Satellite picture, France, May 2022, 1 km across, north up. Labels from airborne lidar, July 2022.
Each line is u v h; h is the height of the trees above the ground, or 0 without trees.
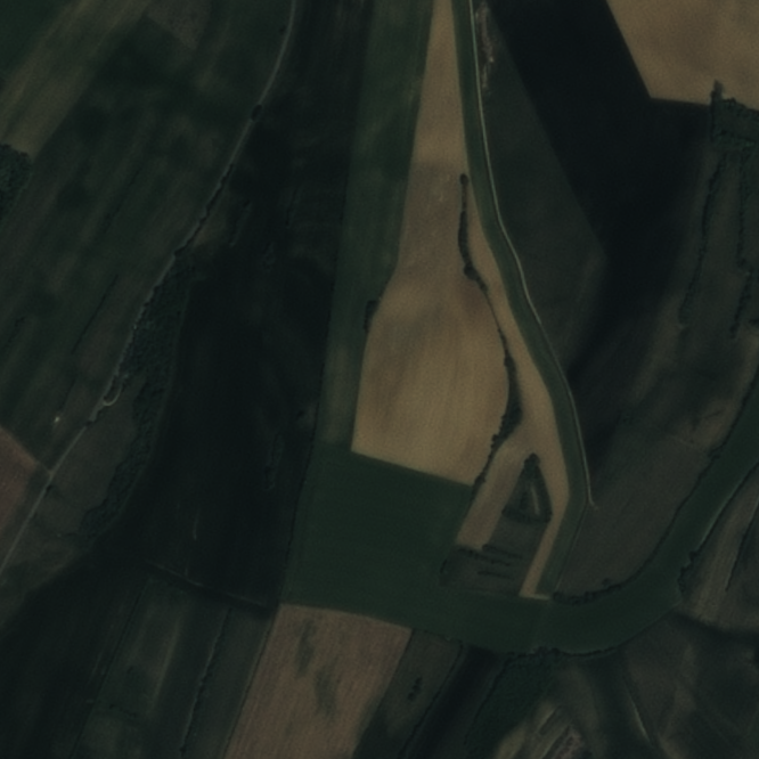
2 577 0
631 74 0
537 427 0
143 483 0
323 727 0
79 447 0
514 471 0
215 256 0
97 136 0
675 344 0
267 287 0
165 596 0
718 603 0
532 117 0
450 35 0
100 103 0
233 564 0
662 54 0
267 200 0
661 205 0
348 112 0
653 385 0
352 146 0
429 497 0
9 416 0
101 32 0
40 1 0
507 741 0
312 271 0
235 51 0
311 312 0
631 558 0
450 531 0
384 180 0
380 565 0
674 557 0
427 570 0
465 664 0
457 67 0
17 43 0
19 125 0
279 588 0
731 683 0
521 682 13
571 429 0
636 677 0
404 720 0
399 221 0
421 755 0
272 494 0
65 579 0
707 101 0
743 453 0
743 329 0
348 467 0
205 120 0
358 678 0
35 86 0
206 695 11
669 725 0
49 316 0
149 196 0
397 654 0
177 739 0
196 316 0
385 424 0
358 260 0
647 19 0
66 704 0
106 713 0
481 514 0
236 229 7
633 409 0
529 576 0
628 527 0
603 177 0
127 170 0
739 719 0
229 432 0
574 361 0
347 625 0
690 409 0
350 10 0
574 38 0
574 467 0
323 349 0
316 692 0
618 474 0
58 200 0
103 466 0
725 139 13
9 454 0
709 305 0
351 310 0
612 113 0
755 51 0
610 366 0
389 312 0
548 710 0
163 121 0
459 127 0
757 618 0
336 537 0
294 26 0
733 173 0
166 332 14
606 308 0
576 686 0
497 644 0
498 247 0
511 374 6
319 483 0
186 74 0
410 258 0
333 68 0
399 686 0
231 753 0
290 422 0
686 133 0
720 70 0
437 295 0
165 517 0
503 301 0
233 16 0
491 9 0
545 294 0
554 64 0
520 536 0
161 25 0
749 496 0
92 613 0
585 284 0
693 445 0
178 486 0
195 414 0
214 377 0
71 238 0
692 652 0
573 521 0
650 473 0
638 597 0
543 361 0
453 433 0
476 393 0
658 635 0
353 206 0
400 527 0
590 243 0
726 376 0
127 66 0
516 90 0
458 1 0
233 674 0
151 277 0
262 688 0
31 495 0
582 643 0
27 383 0
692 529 0
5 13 0
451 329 0
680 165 0
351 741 0
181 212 0
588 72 0
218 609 0
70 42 0
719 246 0
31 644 0
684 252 0
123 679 0
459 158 0
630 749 0
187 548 0
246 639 0
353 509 0
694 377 0
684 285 0
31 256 0
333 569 0
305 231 0
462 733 0
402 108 0
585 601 8
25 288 0
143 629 0
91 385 0
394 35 0
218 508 0
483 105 0
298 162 0
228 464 0
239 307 0
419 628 0
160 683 0
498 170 0
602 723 0
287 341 0
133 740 0
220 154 0
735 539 0
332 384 0
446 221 0
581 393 0
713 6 0
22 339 0
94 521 7
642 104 0
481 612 0
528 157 0
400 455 0
